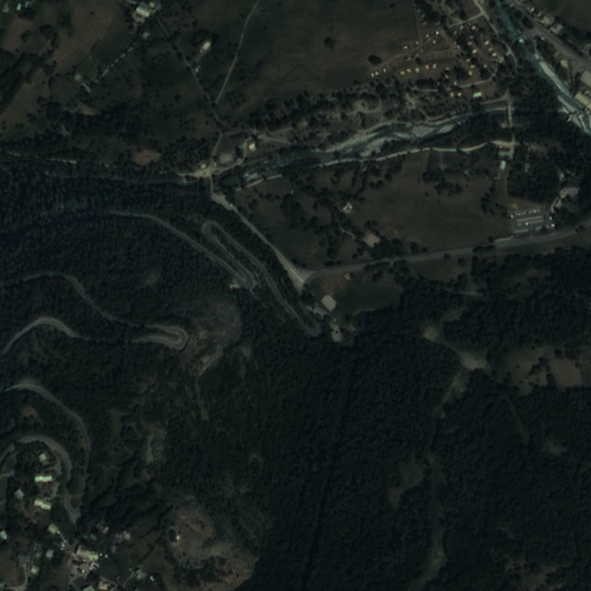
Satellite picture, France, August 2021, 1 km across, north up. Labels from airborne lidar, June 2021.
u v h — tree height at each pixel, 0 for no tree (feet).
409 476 0
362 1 0
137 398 33
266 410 50
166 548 20
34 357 27
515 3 0
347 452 45
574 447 36
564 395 41
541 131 49
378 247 43
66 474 24
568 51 0
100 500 45
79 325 52
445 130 0
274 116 59
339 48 0
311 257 0
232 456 33
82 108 0
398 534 37
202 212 32
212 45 21
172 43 35
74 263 31
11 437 36
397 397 42
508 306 50
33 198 115
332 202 20
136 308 47
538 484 52
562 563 35
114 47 0
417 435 49
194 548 0
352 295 0
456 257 0
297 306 46
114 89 0
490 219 0
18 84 45
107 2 0
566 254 44
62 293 46
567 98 0
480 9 0
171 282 56
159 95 20
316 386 57
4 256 95
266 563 71
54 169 36
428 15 33
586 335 48
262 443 35
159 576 22
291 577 73
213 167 0
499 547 62
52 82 41
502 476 88
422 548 53
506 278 56
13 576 0
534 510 68
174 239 69
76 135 52
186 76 0
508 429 62
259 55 0
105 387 23
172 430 26
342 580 85
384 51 0
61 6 0
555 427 39
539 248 0
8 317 50
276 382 38
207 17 0
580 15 0
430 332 0
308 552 31
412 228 0
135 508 26
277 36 0
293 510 72
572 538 35
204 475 29
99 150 24
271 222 0
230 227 36
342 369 69
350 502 62
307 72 0
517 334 81
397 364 56
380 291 0
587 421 45
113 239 25
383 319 60
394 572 55
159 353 28
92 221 38
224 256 28
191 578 34
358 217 0
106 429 39
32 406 31
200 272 68
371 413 56
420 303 56
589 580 58
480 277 49
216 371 26
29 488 35
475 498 65
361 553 83
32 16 35
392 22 0
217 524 31
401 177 0
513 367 0
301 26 0
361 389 50
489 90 0
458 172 20
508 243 0
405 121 40
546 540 39
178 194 58
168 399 32
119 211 24
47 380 39
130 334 45
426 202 0
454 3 45
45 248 25
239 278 0
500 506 33
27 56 43
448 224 0
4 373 22
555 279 53
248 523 22
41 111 24
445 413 0
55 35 30
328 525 64
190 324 28
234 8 0
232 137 21
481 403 49
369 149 0
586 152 55
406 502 53
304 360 64
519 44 41
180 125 18
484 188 0
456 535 50
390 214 0
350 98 42
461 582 73
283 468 73
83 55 0
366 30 0
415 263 0
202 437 30
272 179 0
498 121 21
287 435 58
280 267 67
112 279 58
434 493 60
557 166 36
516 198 36
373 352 55
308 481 46
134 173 58
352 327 0
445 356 48
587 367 0
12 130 0
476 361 0
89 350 63
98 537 73
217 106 39
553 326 70
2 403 26
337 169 23
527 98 31
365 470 45
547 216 0
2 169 19
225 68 0
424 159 0
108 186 85
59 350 34
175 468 45
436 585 44
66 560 0
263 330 22
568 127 49
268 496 47
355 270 0
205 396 31
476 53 0
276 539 57
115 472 0
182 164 30
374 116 0
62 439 28
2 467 26
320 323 53
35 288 31
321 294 0
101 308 33
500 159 40
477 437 74
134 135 43
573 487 59
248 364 41
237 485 27
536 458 56
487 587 31
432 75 0
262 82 0
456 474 58
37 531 40
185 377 25
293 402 61
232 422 41
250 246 40
